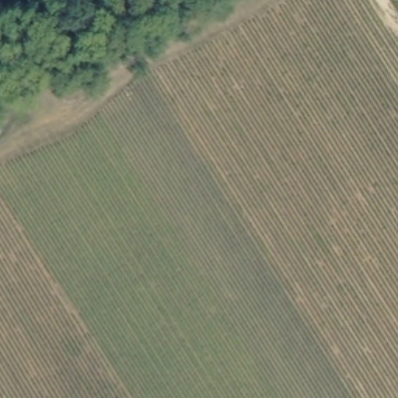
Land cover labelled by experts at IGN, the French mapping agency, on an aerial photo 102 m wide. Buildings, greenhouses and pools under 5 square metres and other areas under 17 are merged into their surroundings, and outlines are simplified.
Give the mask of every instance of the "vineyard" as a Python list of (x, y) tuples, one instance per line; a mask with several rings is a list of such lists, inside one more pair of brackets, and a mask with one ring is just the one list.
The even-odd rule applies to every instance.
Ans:
[(398, 398), (398, 34), (382, 22), (384, 11), (376, 0), (246, 0), (236, 5), (235, 11), (224, 23), (204, 31), (201, 36), (194, 37), (193, 42), (187, 44), (182, 40), (173, 40), (171, 45), (166, 47), (162, 58), (146, 68), (145, 75), (131, 72), (135, 81), (131, 93), (121, 96), (101, 117), (84, 127), (84, 131), (78, 137), (64, 141), (47, 151), (30, 155), (6, 168), (0, 168), (0, 398)]

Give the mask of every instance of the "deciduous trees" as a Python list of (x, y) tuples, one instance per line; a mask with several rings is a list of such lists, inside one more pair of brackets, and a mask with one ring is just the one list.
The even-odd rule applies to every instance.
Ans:
[(182, 40), (187, 44), (193, 42), (194, 37), (201, 36), (204, 31), (224, 23), (235, 11), (236, 5), (246, 0), (0, 0), (0, 127), (5, 126), (8, 121), (9, 110), (36, 110), (36, 106), (31, 106), (34, 95), (53, 92), (56, 98), (64, 99), (81, 92), (84, 93), (86, 101), (96, 101), (106, 96), (112, 87), (109, 73), (113, 68), (123, 62), (124, 67), (131, 72), (145, 75), (146, 68), (162, 58), (166, 47), (171, 45), (173, 40)]

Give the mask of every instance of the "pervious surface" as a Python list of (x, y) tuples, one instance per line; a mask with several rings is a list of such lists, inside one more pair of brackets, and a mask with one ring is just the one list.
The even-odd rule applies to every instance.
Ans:
[(382, 22), (398, 34), (398, 0), (376, 0), (384, 11)]

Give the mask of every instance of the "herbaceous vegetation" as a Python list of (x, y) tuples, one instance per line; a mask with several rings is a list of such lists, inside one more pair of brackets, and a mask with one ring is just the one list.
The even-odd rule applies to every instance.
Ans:
[(84, 93), (81, 92), (64, 99), (56, 98), (53, 92), (34, 95), (31, 106), (36, 106), (36, 110), (9, 110), (8, 121), (5, 126), (0, 127), (0, 168), (6, 168), (30, 155), (47, 151), (64, 141), (78, 137), (84, 131), (84, 127), (101, 117), (121, 96), (131, 93), (135, 81), (131, 72), (124, 67), (123, 62), (113, 68), (109, 73), (112, 87), (106, 96), (96, 101), (86, 101)]

